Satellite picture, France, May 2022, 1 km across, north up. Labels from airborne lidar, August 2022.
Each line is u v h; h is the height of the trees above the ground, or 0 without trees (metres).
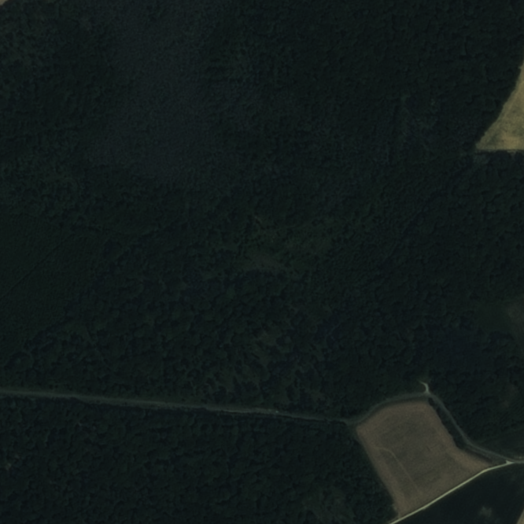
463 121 22
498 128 0
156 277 21
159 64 15
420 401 0
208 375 28
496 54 26
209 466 31
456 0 27
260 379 24
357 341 32
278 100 24
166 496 26
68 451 27
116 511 27
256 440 28
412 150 27
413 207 14
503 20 28
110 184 19
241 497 26
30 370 26
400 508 0
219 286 26
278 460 30
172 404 0
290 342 30
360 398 29
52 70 21
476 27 24
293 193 23
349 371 21
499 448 0
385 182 25
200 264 9
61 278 8
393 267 26
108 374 27
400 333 32
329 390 34
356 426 0
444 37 30
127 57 21
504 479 0
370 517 22
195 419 26
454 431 21
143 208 18
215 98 24
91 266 7
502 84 26
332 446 26
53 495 27
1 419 26
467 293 31
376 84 25
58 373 27
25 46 21
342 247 15
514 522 0
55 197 8
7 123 23
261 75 22
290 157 24
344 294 17
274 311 29
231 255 20
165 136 17
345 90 26
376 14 29
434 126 20
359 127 25
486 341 29
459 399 28
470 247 29
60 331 25
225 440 29
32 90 16
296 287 22
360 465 24
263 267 8
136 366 28
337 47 26
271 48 22
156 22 27
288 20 22
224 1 24
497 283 29
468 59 29
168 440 30
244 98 18
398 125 28
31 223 9
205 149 22
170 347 29
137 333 30
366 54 27
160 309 25
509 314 0
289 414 16
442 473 0
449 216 26
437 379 27
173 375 26
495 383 29
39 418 27
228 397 26
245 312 29
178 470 29
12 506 26
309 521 30
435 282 26
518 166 28
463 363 31
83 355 26
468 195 27
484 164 25
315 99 22
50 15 17
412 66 30
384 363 30
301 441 28
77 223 21
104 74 28
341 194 11
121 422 32
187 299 23
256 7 25
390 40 28
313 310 7
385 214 11
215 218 29
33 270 8
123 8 7
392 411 0
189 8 23
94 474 29
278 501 28
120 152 21
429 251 25
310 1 21
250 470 26
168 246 23
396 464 0
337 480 12
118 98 22
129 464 31
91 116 23
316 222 12
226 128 19
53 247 9
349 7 8
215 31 27
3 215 21
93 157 19
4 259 10
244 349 30
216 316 25
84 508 27
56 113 28
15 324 16
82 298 23
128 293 28
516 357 27
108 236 9
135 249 23
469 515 0
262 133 14
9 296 7
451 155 19
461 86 25
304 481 29
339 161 18
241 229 21
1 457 27
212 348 29
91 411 29
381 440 0
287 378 24
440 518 0
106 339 29
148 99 14
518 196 31
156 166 18
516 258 26
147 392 26
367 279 10
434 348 27
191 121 20
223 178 19
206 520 29
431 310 33
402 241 22
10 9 20
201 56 19
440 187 18
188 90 20
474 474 0
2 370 20
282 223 25
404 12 27
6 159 26
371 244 9
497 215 30
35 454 28
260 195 22
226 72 18
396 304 31
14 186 29
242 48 15
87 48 27
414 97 30
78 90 25
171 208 22
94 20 23
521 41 23
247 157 19
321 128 24
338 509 0
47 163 22
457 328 31
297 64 26
